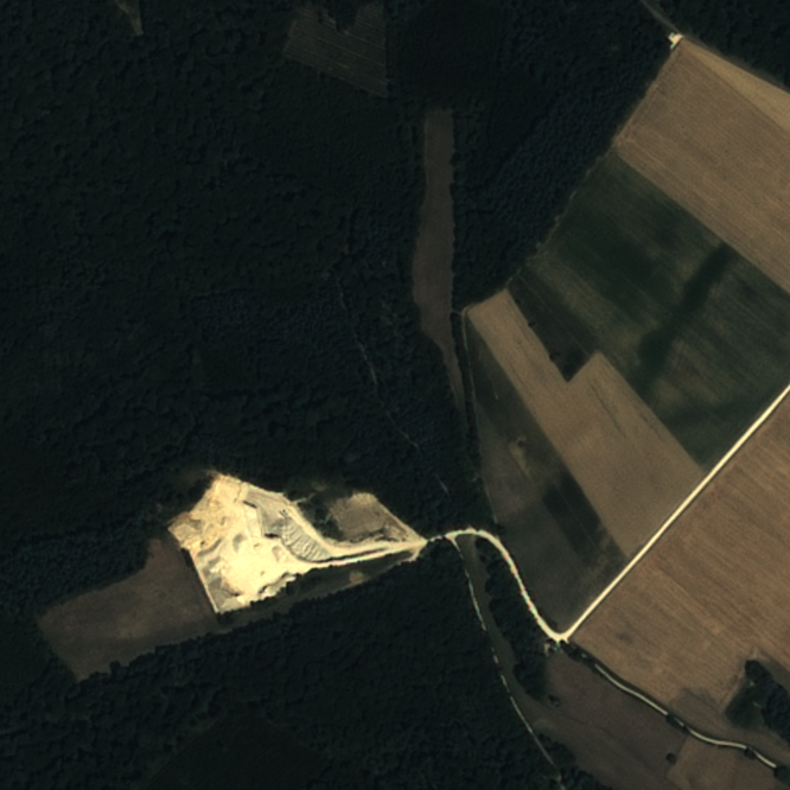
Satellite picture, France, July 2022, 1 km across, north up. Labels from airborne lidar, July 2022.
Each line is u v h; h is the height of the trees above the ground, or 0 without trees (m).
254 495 0
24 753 27
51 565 32
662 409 0
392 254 27
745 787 0
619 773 0
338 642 29
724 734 0
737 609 0
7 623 18
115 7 20
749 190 0
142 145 27
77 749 26
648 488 0
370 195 11
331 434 32
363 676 32
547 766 22
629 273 0
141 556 22
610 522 0
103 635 0
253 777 6
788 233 0
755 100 0
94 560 33
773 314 0
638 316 0
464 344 13
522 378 0
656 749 0
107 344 26
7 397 24
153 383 31
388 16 7
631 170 0
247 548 0
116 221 26
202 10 25
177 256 28
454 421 20
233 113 27
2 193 28
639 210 0
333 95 16
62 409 26
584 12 28
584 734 0
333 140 17
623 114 29
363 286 24
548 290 0
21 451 17
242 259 30
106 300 22
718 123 0
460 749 28
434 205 0
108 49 25
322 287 14
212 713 8
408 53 14
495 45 8
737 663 0
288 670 14
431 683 26
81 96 25
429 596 23
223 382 6
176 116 24
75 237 22
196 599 0
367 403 24
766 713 12
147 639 0
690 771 0
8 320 23
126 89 24
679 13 20
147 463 32
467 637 29
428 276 0
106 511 9
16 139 24
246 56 29
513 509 0
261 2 29
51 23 25
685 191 0
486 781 24
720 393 0
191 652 28
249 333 20
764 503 0
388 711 29
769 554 0
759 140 0
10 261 17
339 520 0
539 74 27
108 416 31
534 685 22
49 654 21
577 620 0
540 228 27
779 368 0
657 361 0
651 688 0
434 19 10
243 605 0
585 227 0
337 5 13
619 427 0
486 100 13
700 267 0
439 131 0
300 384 17
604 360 0
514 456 0
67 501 10
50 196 27
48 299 28
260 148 16
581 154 28
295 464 22
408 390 20
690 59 0
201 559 0
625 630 0
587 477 0
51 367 20
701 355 0
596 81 25
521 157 25
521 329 0
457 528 21
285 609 0
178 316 23
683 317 0
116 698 30
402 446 11
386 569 0
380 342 17
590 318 0
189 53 27
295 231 27
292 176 13
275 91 14
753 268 0
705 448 0
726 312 0
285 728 8
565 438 0
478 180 14
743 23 26
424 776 24
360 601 26
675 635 0
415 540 0
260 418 29
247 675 23
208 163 29
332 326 14
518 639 24
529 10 32
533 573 0
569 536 0
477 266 25
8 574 32
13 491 15
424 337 17
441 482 16
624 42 28
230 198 31
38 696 24
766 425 0
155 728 27
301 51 0
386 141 14
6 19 22
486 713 18
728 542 0
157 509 20
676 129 0
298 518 0
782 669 0
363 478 18
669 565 0
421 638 27
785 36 24
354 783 15
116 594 0
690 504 0
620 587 0
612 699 0
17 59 24
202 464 17
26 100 23
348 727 28
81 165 29
